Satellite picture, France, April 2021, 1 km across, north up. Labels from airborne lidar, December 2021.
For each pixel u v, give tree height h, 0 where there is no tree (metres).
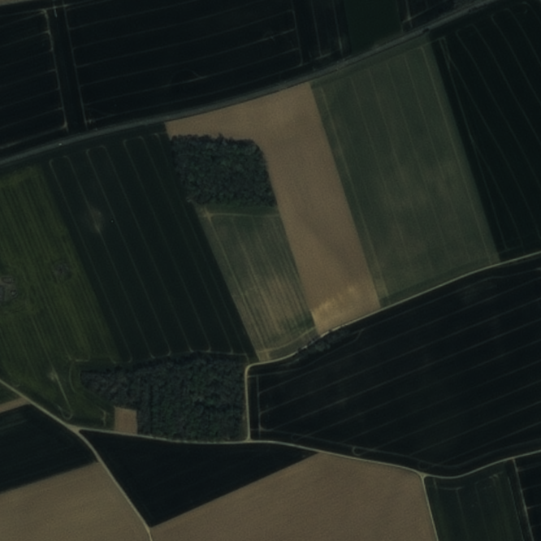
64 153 0
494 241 0
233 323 0
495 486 0
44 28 0
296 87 0
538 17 0
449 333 0
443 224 0
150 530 0
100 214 0
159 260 0
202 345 0
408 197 0
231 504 0
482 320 0
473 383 0
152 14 0
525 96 0
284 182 0
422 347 0
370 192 0
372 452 0
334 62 0
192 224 0
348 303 0
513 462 0
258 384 0
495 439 0
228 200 16
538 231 0
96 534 0
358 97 0
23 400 0
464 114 0
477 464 0
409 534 0
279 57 0
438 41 0
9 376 0
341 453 0
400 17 0
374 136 0
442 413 0
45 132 0
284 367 0
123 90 0
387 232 0
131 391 11
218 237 0
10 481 0
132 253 0
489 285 0
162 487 0
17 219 0
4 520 0
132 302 0
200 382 20
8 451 0
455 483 0
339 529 0
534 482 0
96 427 0
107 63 0
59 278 0
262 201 22
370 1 0
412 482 0
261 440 0
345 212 0
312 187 0
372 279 0
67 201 0
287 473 0
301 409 0
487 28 0
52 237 0
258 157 18
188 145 17
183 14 0
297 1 0
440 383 0
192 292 0
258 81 0
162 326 0
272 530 0
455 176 0
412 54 0
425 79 0
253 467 0
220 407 10
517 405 0
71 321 0
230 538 0
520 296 0
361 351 0
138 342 0
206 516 0
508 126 0
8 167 0
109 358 0
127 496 0
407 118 0
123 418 0
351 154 0
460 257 0
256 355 0
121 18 0
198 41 0
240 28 0
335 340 14
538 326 0
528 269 0
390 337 0
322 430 0
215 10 0
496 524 0
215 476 0
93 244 0
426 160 0
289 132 0
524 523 0
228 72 0
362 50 0
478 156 0
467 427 0
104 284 0
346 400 0
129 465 0
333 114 0
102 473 0
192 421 22
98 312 0
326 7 0
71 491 0
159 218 0
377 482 0
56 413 0
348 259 0
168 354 0
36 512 0
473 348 0
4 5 0
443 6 0
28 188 0
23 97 0
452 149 0
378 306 0
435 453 0
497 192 0
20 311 0
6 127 0
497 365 0
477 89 0
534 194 0
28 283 0
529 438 0
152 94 0
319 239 0
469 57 0
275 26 0
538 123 0
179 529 0
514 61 0
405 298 0
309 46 0
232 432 7
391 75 0
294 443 0
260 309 0
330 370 0
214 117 0
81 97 0
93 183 0
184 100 0
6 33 0
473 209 0
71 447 0
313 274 0
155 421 16
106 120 0
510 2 0
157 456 0
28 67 0
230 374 24
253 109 0
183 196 0
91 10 0
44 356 0
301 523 0
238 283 0
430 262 0
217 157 25
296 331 0
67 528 0
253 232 0
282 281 0
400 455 0
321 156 0
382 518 0
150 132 0
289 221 0
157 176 0
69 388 0
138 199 0
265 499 0
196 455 0
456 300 0
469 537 0
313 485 0
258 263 0
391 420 0
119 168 0
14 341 0
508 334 0
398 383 0
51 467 0
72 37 0
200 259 0
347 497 0
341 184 0
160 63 0
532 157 0
